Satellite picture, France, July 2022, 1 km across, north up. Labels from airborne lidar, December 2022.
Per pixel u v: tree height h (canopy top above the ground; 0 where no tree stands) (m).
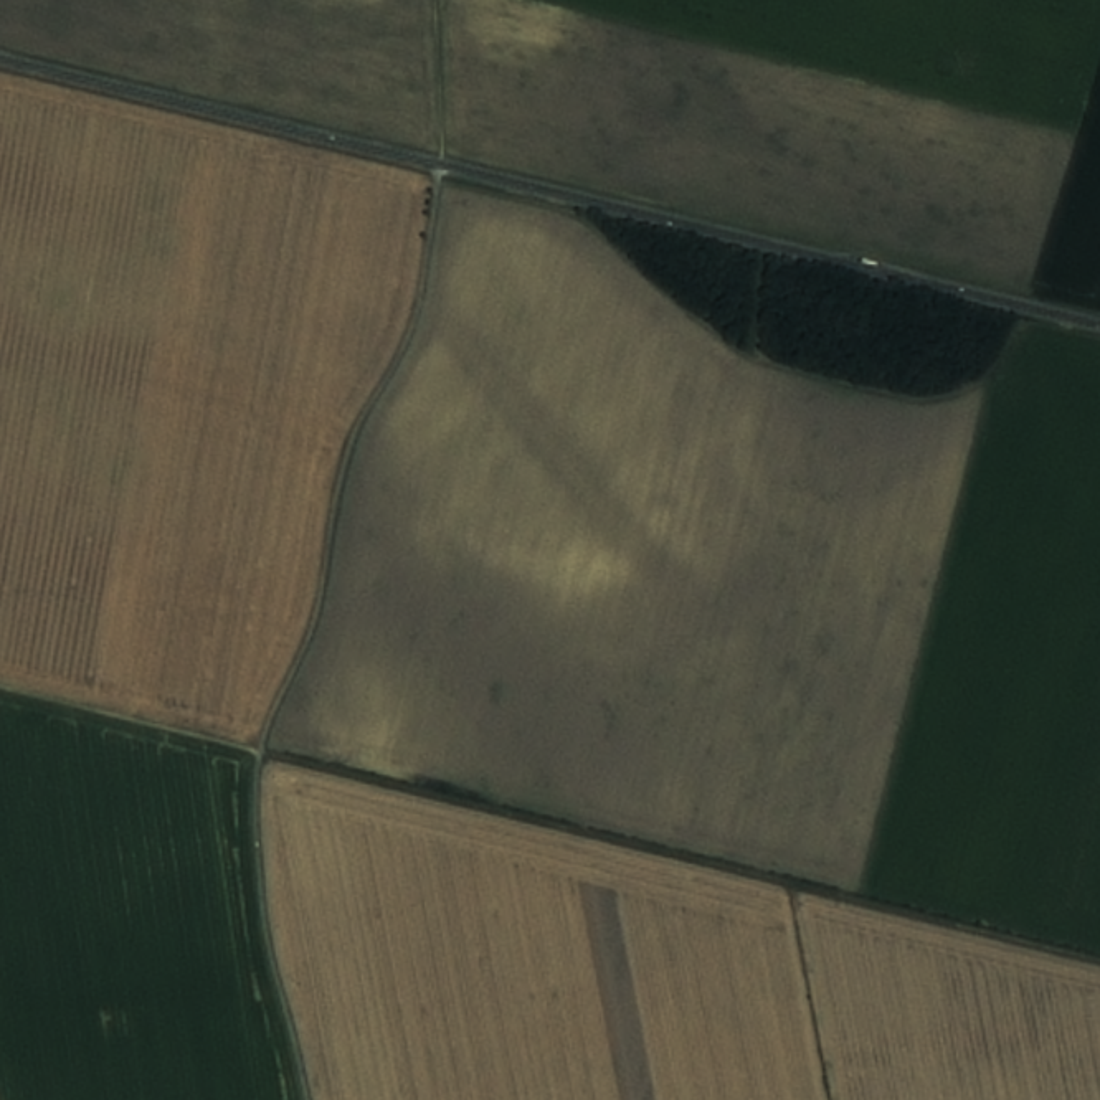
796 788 0
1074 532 0
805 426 0
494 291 0
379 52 0
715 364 0
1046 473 0
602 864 0
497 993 0
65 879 0
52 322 0
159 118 0
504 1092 0
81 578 0
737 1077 0
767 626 0
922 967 0
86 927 0
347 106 0
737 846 0
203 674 0
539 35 0
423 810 0
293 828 0
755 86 0
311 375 0
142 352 0
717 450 0
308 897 0
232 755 0
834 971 0
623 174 0
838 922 0
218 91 0
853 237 0
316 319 0
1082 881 0
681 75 0
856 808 0
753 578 0
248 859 0
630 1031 0
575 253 0
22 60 0
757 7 0
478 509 0
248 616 0
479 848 0
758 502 0
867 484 0
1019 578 0
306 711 0
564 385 0
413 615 0
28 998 0
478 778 0
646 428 0
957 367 14
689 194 0
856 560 0
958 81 0
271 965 0
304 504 0
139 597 0
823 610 0
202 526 0
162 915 0
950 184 0
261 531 0
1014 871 0
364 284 0
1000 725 0
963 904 0
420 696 0
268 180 0
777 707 0
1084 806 0
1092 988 0
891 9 0
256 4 0
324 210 0
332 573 0
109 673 0
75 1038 0
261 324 0
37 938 0
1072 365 0
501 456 0
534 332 0
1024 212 0
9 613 0
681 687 0
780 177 0
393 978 0
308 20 0
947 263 0
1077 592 0
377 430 0
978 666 0
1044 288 0
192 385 0
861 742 0
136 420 0
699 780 0
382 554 0
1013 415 0
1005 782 0
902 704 0
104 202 0
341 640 0
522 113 0
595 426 0
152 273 0
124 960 0
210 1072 0
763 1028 0
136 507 0
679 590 0
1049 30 0
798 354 14
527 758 0
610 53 0
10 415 0
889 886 0
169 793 0
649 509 0
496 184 0
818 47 0
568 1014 0
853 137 0
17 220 0
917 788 0
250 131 0
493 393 0
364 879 0
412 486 0
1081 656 0
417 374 0
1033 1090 0
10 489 0
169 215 0
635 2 0
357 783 0
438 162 0
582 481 0
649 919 0
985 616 0
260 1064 0
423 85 0
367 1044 0
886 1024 0
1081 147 0
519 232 0
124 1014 0
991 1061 0
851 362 16
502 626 0
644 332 0
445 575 0
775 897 0
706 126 0
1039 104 0
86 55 0
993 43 0
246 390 0
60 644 0
